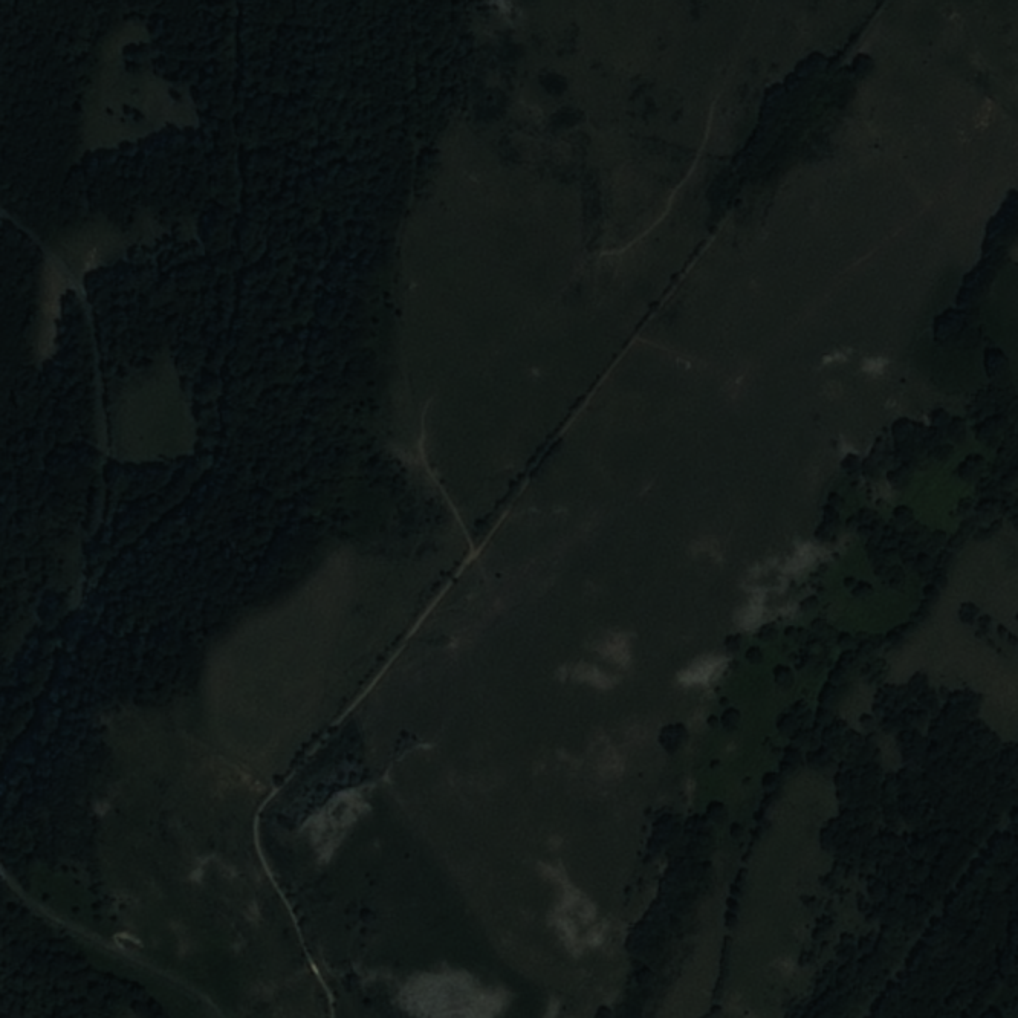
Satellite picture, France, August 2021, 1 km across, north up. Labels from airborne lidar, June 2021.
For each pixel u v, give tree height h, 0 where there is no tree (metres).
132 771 0
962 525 6
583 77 0
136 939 0
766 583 0
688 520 0
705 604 0
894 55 0
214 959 0
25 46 12
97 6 17
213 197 9
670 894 19
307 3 21
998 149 0
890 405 0
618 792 0
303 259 19
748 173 13
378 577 0
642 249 0
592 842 0
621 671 0
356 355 17
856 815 17
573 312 0
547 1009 0
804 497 0
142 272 20
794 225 0
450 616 0
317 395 12
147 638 16
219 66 22
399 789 0
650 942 20
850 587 15
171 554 22
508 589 0
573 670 0
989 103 0
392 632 0
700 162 0
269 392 15
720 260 0
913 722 13
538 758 0
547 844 0
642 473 0
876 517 8
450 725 0
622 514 0
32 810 19
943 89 0
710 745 0
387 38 18
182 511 12
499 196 0
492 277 0
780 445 0
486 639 0
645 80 0
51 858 13
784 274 0
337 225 23
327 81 23
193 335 13
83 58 17
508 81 0
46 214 18
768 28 0
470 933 0
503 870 0
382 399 0
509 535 0
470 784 0
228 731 0
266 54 18
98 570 15
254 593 16
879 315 0
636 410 0
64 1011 16
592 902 0
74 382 17
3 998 13
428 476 0
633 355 0
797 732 15
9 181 15
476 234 0
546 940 0
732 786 0
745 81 0
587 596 0
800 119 22
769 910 0
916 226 0
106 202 18
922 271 0
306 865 0
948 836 18
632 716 0
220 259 27
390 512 0
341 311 24
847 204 0
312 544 19
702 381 0
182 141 15
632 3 0
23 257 18
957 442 16
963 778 21
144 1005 15
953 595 0
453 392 0
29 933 6
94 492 13
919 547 9
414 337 0
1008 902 18
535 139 0
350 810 0
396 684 0
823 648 16
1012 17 0
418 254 0
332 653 0
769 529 0
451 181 0
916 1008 23
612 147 0
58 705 8
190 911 0
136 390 0
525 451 0
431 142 8
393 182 19
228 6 11
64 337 14
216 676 0
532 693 0
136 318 15
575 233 0
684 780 0
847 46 7
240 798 0
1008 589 0
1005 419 14
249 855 0
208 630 13
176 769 0
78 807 17
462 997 0
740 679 0
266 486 18
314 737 6
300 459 17
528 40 0
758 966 0
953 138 0
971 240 0
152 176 18
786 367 0
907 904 23
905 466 16
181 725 0
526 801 0
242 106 21
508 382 0
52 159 20
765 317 0
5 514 28
